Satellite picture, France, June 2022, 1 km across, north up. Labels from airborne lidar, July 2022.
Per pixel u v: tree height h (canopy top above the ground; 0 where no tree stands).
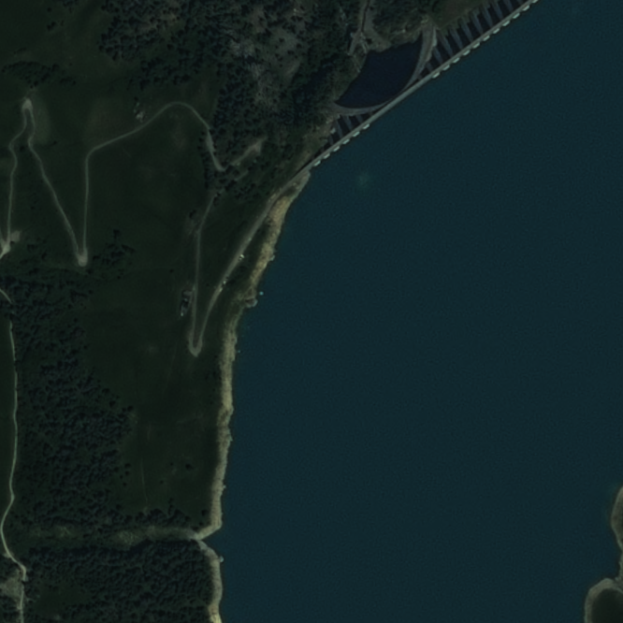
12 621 23
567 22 0
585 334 0
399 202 0
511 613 0
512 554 0
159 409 0
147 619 24
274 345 0
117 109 0
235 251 0
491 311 0
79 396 10
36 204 7
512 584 0
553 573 0
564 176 0
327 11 7
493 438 0
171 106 0
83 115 0
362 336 0
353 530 0
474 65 0
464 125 0
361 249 0
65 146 0
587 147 0
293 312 0
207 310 0
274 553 0
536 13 0
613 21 0
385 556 0
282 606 0
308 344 0
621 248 0
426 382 0
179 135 0
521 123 0
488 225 0
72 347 6
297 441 0
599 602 0
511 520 0
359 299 0
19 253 0
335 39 8
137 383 0
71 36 0
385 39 11
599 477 0
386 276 0
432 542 0
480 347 0
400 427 0
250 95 19
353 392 0
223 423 0
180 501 0
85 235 0
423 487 0
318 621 0
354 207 0
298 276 0
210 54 7
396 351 0
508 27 0
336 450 0
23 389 8
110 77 0
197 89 0
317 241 0
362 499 0
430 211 0
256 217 0
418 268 0
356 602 0
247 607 0
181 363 0
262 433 0
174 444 0
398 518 0
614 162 0
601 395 0
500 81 0
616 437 0
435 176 0
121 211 0
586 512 0
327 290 0
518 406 0
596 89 0
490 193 0
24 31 0
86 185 0
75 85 11
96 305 0
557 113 0
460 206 0
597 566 0
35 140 0
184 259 0
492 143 0
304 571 0
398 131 0
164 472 0
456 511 0
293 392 0
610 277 0
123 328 0
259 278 0
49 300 13
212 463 0
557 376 0
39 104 0
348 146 0
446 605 0
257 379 0
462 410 0
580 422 0
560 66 0
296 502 0
